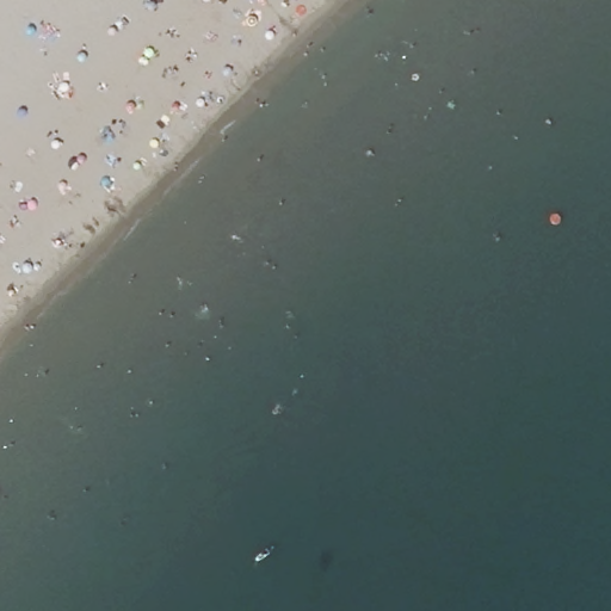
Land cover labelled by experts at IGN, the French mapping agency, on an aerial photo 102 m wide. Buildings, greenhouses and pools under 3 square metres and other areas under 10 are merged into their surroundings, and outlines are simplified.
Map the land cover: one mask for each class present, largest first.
<instances>
[{"label":"water","instance_id":"1","mask_svg":"<svg viewBox=\"0 0 611 611\"><path fill-rule=\"evenodd\" d=\"M313 31L306 45H298L294 53L282 50L279 57H270L260 67H253L246 93L239 100L229 103V107L222 110L198 134L193 146L179 160H174V165L143 196L134 200L124 220L107 227L100 241H81L76 258H72L69 265L60 270L53 279H48L41 294L33 296V308L12 317L7 329L0 334V611H611V0H344L341 5L329 7L322 17L310 21Z\"/></svg>","mask_w":611,"mask_h":611},{"label":"bare soil","instance_id":"2","mask_svg":"<svg viewBox=\"0 0 611 611\"><path fill-rule=\"evenodd\" d=\"M344 0H0V334L7 329L12 317L33 308V296L41 294L48 279H53L60 270L69 265L72 258H76L81 241H100L107 227L124 220L134 200L143 196L174 165V160H179L193 146L198 134L222 110L229 107V103L239 100L246 93L253 67H260L270 57H279L282 50L294 53L298 45H306L313 31L310 21L322 17L329 7L341 5Z\"/></svg>","mask_w":611,"mask_h":611}]
</instances>
